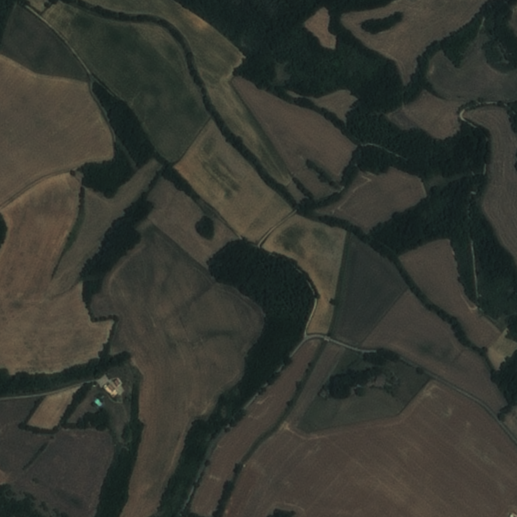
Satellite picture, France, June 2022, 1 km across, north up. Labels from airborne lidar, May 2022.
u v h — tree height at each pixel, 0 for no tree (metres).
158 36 0
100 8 13
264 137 0
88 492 0
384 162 12
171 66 0
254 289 17
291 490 0
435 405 0
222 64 0
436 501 0
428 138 12
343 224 12
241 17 15
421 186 0
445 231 12
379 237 13
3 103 0
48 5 14
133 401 6
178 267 0
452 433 0
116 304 0
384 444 0
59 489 0
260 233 0
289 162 0
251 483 0
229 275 16
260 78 10
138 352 0
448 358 0
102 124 0
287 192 8
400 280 0
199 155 0
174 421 0
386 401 0
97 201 0
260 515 0
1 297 0
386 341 0
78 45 0
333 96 0
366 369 0
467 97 0
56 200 0
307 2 10
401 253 15
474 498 0
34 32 0
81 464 0
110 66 0
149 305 0
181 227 0
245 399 10
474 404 0
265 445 0
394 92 16
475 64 0
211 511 0
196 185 0
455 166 11
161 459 0
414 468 0
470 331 0
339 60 16
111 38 0
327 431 0
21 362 0
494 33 12
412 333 0
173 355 0
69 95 0
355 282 0
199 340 0
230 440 0
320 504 0
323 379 0
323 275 0
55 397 0
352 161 12
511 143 0
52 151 0
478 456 0
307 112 0
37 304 0
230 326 0
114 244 22
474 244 7
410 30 0
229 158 0
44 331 0
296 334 10
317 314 0
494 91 0
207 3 17
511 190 0
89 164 10
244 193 0
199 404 0
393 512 0
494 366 0
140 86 0
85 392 14
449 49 10
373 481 0
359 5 18
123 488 17
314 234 0
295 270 20
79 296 0
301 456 0
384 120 10
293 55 14
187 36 0
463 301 0
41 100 0
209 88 0
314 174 0
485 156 15
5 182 0
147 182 0
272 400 0
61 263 0
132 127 19
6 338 0
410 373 0
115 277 0
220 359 0
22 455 0
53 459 0
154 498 0
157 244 0
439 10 0
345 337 0
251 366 9
